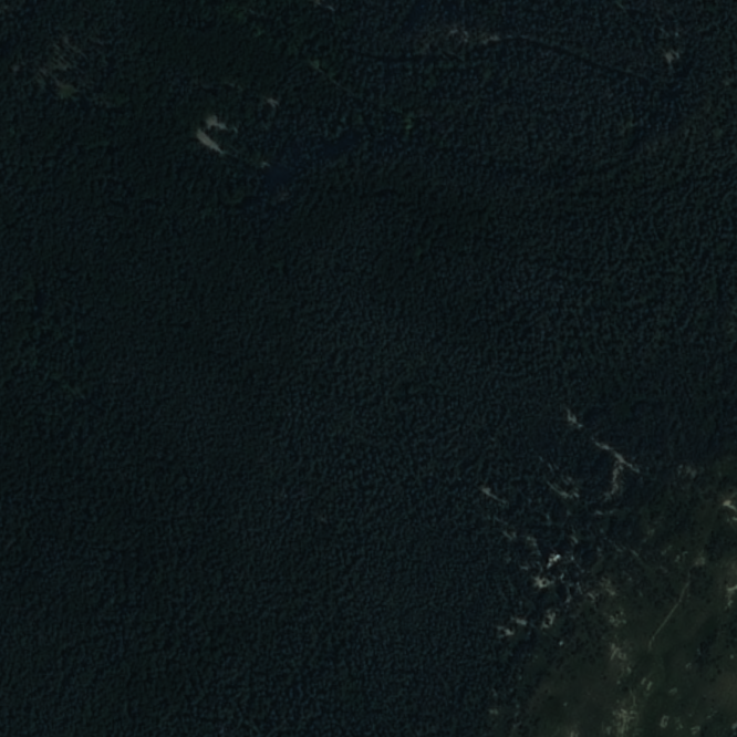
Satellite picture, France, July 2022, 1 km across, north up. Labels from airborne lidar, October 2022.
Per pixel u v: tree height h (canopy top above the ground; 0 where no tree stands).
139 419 16
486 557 13
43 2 28
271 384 20
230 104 21
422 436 16
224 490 22
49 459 23
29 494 26
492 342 23
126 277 33
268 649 20
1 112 30
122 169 30
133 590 22
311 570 12
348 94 17
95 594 24
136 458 19
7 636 17
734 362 7
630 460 7
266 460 21
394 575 12
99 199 29
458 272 24
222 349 20
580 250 15
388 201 22
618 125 18
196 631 23
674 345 7
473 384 15
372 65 27
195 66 23
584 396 11
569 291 22
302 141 18
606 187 8
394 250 17
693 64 11
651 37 16
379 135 24
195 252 19
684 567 0
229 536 18
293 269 18
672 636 0
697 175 16
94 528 21
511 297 21
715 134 8
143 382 20
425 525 11
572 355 17
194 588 20
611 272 11
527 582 7
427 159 27
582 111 22
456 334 19
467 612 10
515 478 10
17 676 18
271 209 17
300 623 9
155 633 19
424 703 11
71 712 18
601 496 7
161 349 19
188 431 18
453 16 20
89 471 19
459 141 26
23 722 20
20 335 20
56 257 25
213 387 19
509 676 10
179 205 26
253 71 25
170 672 19
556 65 21
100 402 15
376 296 18
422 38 12
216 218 21
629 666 0
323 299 14
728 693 0
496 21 7
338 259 22
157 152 27
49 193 35
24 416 17
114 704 16
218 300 22
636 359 7
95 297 23
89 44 19
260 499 22
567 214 11
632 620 0
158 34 27
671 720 0
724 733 0
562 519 7
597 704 0
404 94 21
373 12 16
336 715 17
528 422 8
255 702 16
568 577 6
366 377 14
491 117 20
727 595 0
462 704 9
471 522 16
